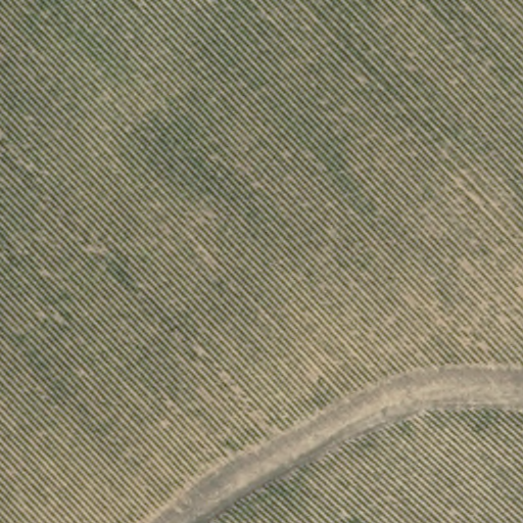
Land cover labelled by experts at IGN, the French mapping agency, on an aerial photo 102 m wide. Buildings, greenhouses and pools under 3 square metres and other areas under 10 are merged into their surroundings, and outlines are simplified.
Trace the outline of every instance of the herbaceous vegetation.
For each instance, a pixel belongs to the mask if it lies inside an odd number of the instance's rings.
[[[419,411],[423,417],[429,411],[476,411],[482,407],[496,405],[511,413],[523,411],[523,366],[515,362],[462,362],[427,368],[413,366],[405,372],[396,372],[382,380],[368,382],[364,388],[349,390],[345,392],[345,396],[335,398],[333,402],[321,409],[315,409],[302,419],[296,419],[288,429],[278,429],[274,425],[268,439],[247,443],[243,449],[227,449],[225,458],[219,458],[210,464],[200,464],[194,476],[184,476],[184,486],[176,488],[168,501],[163,501],[159,507],[155,507],[135,523],[221,523],[241,505],[264,494],[268,488],[292,482],[300,472],[313,468],[317,462],[323,464],[331,460],[333,454],[345,449],[347,443],[362,441],[364,429],[374,427],[376,423],[382,423],[386,429],[394,427],[394,417],[405,413],[407,407]]]

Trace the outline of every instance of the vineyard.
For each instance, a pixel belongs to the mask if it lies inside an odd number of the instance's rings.
[[[300,472],[292,482],[268,488],[264,494],[241,505],[221,523],[523,523],[523,411],[511,413],[496,405],[482,407],[476,411],[429,411],[423,417],[419,411],[407,407],[405,413],[394,417],[394,427],[386,429],[382,423],[376,423],[374,427],[364,429],[362,441],[347,443],[345,449],[333,454],[331,460],[323,464],[317,462],[313,468]]]
[[[349,390],[364,388],[368,382],[382,380],[396,372],[405,372],[413,366],[427,368],[462,362],[515,362],[523,366],[523,0],[0,0],[0,523],[135,523],[155,507],[159,507],[163,501],[168,501],[176,488],[184,486],[184,476],[194,476],[200,464],[210,464],[219,458],[225,458],[227,449],[243,449],[247,443],[268,439],[274,425],[278,429],[288,429],[296,419],[302,419],[315,409],[321,409],[333,402],[335,398],[345,396],[345,392]]]

